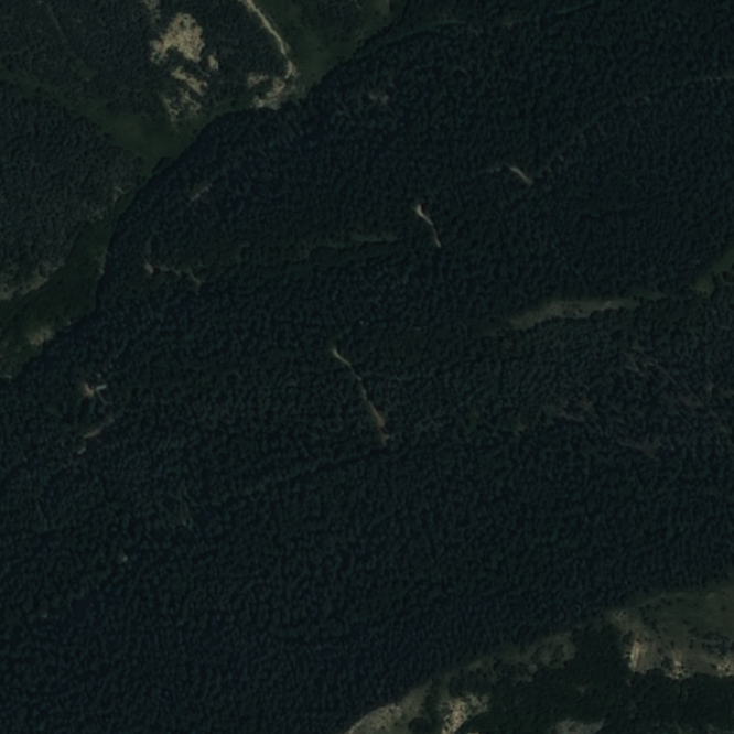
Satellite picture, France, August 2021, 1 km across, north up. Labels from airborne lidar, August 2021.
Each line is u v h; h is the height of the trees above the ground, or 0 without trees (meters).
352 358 18
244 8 7
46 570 22
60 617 15
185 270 17
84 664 21
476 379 21
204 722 15
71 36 8
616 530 11
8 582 6
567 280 19
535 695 14
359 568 22
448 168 17
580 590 17
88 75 0
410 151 19
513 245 14
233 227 18
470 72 30
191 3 10
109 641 15
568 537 19
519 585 11
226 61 11
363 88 27
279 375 16
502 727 17
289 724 17
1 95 14
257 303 26
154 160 0
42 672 27
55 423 30
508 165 7
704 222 11
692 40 25
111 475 30
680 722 12
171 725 19
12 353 10
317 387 19
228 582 26
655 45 17
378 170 22
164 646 18
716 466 16
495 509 25
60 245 8
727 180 14
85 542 23
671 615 0
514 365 29
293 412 34
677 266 12
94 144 6
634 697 15
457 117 21
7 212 14
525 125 20
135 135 0
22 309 14
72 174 13
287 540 23
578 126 19
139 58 11
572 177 15
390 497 22
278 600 23
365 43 8
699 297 8
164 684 23
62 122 14
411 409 19
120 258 12
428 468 23
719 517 14
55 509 23
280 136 25
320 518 19
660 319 18
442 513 29
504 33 17
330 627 21
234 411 21
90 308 15
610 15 17
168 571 25
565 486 24
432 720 7
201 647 15
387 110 10
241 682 24
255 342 28
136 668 22
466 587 13
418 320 10
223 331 30
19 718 28
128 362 7
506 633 9
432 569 17
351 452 16
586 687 12
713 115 18
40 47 12
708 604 0
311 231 17
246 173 8
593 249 15
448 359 20
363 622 16
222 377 11
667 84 17
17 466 25
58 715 20
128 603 21
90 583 12
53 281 11
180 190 19
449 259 21
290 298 24
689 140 16
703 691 13
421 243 19
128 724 25
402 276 15
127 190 13
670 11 15
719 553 10
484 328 13
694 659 0
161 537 6
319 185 29
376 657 11
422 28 18
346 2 10
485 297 14
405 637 13
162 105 7
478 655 10
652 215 18
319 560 27
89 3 10
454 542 24
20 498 27
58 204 12
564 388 32
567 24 15
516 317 7
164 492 34
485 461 23
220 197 13
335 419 32
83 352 30
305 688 20
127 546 29
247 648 17
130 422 20
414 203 11
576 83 22
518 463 19
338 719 12
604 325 24
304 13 8
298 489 21
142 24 13
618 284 12
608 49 21
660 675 15
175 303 24
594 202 26
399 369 18
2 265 13
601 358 25
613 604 11
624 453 28
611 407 33
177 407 13
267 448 17
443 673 6
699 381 20
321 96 25
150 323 19
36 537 13
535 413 26
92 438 0
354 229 13
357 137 19
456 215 19
